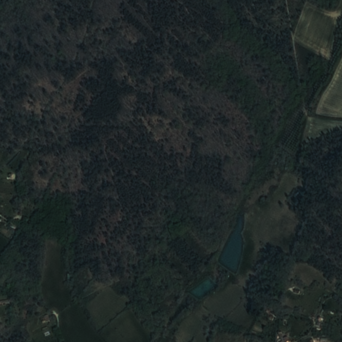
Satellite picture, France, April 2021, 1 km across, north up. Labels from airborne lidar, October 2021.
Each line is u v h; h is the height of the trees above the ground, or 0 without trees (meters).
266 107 20
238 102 26
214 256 17
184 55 26
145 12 11
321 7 16
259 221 0
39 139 15
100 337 0
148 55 20
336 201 17
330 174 26
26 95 16
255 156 14
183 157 19
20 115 16
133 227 10
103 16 12
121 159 10
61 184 12
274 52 23
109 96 23
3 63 10
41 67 17
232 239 0
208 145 17
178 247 23
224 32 22
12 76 18
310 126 0
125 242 11
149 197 22
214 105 13
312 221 21
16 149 26
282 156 25
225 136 13
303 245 22
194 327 0
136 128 11
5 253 15
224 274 14
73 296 10
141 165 24
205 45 24
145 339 0
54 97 19
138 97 14
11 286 12
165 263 15
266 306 23
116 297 0
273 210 0
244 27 24
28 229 23
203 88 17
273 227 0
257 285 25
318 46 0
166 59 17
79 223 20
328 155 7
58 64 13
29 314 10
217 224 17
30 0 17
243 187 18
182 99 12
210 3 16
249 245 0
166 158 21
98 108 18
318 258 21
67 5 16
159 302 22
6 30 16
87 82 13
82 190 6
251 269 0
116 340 0
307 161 21
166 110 11
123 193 21
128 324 0
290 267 21
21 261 13
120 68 13
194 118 15
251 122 24
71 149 23
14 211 15
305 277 0
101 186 11
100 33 16
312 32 0
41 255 20
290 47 22
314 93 22
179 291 17
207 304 0
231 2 26
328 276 31
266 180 8
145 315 24
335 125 0
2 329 14
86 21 27
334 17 0
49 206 18
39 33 17
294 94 28
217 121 15
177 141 13
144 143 21
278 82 17
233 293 0
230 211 13
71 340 0
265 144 21
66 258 18
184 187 25
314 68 25
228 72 26
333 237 21
